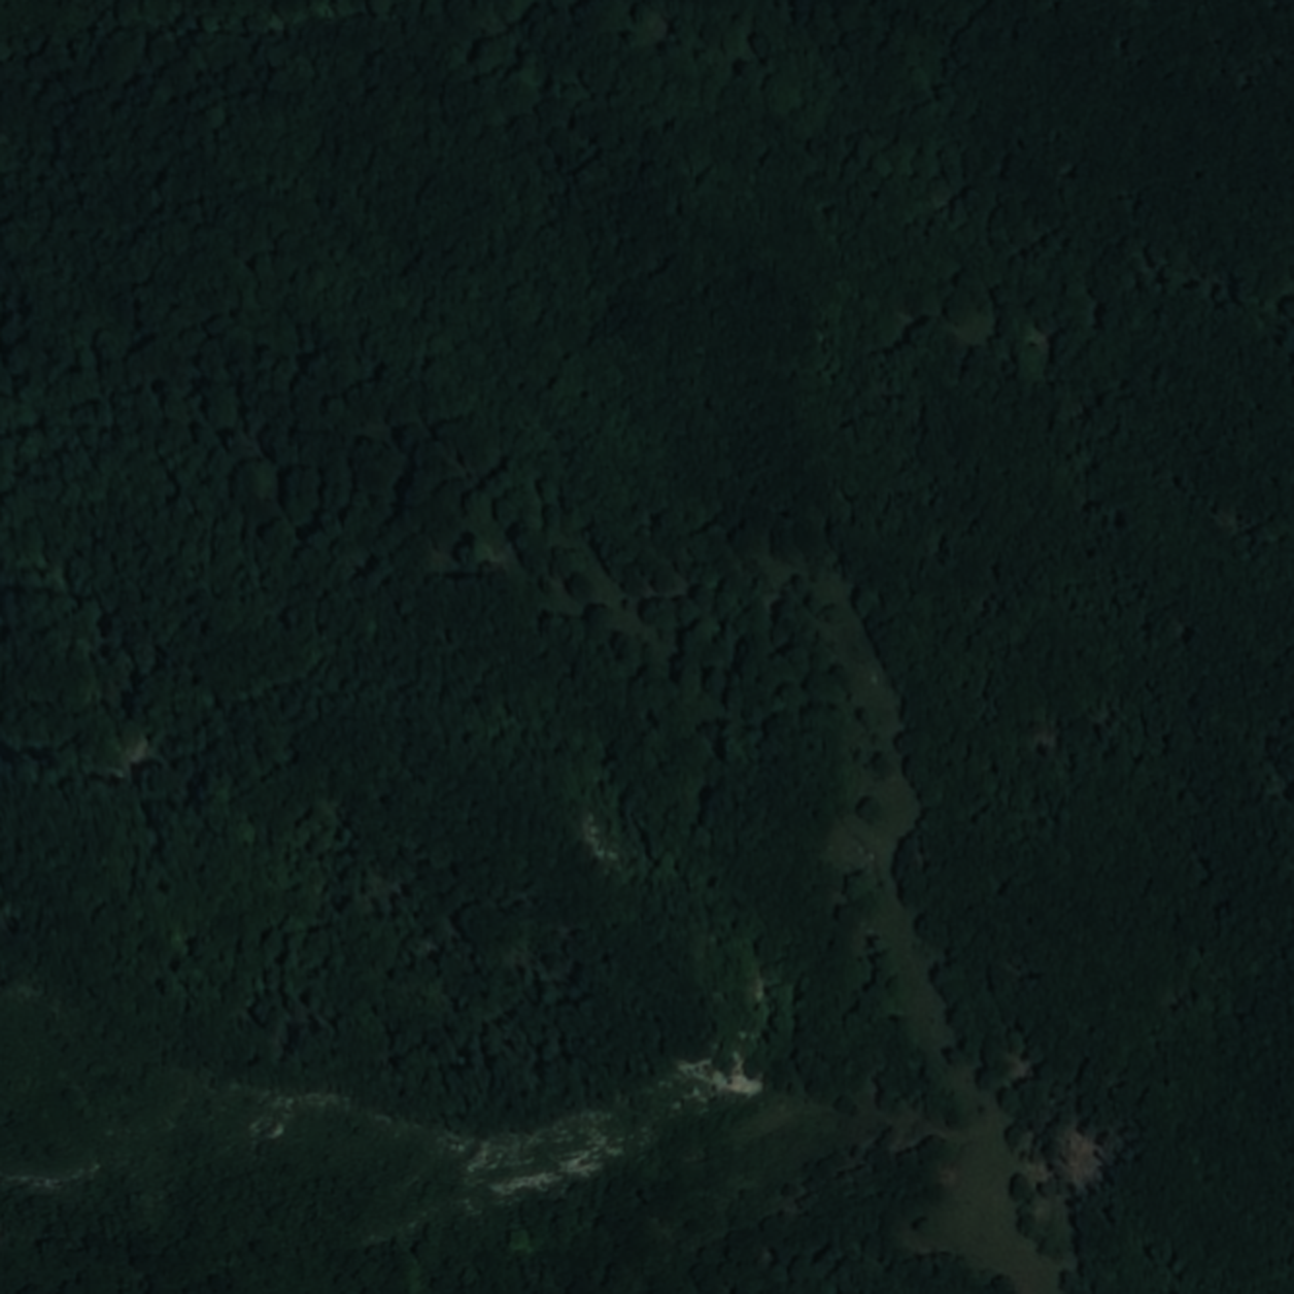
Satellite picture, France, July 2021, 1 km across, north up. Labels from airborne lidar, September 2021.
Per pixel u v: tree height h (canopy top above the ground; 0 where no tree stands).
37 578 25
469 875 22
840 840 0
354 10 27
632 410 27
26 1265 12
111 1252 26
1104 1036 27
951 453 25
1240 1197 25
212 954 28
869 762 6
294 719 23
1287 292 22
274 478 9
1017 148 27
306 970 20
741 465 28
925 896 27
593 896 17
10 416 25
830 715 23
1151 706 30
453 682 30
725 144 24
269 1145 11
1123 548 24
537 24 23
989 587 28
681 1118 7
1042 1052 27
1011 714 22
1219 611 24
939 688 30
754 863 30
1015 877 26
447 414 29
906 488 31
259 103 27
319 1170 11
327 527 29
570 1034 22
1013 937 29
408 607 29
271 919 20
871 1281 24
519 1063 21
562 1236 27
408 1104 25
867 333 27
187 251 19
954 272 23
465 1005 23
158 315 31
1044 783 35
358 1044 25
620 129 24
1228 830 23
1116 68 22
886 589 26
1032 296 27
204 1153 16
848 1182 22
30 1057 7
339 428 24
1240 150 28
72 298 26
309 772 25
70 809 24
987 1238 0
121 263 18
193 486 27
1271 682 31
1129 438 19
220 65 20
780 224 24
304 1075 24
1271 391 23
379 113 20
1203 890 24
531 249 23
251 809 26
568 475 20
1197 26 22
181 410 25
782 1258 27
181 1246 20
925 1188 23
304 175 23
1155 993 28
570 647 28
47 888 22
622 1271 26
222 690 25
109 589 27
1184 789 24
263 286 26
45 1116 12
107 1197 15
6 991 9
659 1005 19
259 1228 8
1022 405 20
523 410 21
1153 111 25
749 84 26
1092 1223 26
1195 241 28
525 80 25
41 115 24
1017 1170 0
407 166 24
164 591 27
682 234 28
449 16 21
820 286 21
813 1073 22
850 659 0
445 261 23
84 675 29
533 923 22
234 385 12
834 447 30
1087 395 23
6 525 28
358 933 28
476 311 27
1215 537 21
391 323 26
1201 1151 24
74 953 20
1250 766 25
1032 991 31
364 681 26
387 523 21
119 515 29
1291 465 27
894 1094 22
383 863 31
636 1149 6
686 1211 8
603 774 19
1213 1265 27
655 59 22
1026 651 23
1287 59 23
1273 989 18
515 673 28
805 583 18
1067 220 21
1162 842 24
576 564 27
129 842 28
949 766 22
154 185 18
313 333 18
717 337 24
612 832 17
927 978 0
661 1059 15
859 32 11
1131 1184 31
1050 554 26
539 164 22
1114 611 19
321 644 28
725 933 27
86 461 29
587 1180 9
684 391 27
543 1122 16
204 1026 29
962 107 23
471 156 29
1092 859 28
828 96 28
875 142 25
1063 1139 33
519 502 26
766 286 26
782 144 26
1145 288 23
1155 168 23
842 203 28
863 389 28
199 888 23
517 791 20
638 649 25
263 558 30
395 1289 32
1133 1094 26
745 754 24
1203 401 27
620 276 20
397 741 26
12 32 12
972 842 30
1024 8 23
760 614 26
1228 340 27
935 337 25
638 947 14
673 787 30
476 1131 14
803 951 30
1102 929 28
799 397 24
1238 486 24
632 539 26
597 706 30
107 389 24
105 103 21
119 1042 11
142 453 27
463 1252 9
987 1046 25
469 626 31
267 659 27
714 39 24
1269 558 22
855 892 23
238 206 26
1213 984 28
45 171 16
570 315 27
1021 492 29
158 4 20
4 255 22
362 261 24
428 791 20
